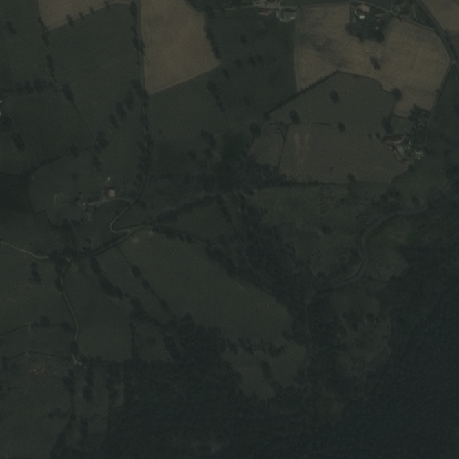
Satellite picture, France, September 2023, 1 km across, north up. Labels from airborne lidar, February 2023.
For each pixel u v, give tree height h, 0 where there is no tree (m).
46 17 0
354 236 0
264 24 9
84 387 0
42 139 0
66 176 0
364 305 0
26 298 0
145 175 10
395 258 0
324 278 11
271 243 14
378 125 0
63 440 17
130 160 0
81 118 0
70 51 0
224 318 0
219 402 14
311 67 0
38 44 0
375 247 0
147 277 0
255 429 23
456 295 20
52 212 0
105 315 0
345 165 0
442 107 0
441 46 0
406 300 17
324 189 0
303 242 0
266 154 0
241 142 0
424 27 0
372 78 0
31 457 0
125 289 0
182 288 0
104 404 0
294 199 0
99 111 0
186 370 14
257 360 0
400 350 12
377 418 12
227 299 0
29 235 0
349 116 0
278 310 0
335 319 12
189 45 0
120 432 16
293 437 25
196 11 0
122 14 0
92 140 0
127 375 15
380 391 14
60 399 0
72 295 0
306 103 0
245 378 0
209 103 0
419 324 0
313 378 15
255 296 0
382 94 0
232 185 18
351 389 15
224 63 0
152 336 0
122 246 0
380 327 0
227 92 0
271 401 11
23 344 0
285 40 0
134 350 11
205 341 16
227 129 0
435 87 0
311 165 0
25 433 0
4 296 0
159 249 0
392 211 9
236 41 0
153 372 6
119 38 0
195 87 0
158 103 0
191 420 17
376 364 0
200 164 0
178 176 0
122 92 0
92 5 0
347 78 0
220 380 13
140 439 21
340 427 18
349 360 0
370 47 0
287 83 0
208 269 0
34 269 10
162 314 0
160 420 16
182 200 0
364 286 0
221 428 23
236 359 0
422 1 0
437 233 0
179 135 0
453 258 14
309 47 0
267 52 0
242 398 21
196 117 0
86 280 0
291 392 11
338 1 0
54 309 0
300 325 18
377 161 0
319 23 0
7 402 0
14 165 0
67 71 0
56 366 0
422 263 13
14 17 0
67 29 0
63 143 0
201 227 0
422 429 21
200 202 16
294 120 15
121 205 0
